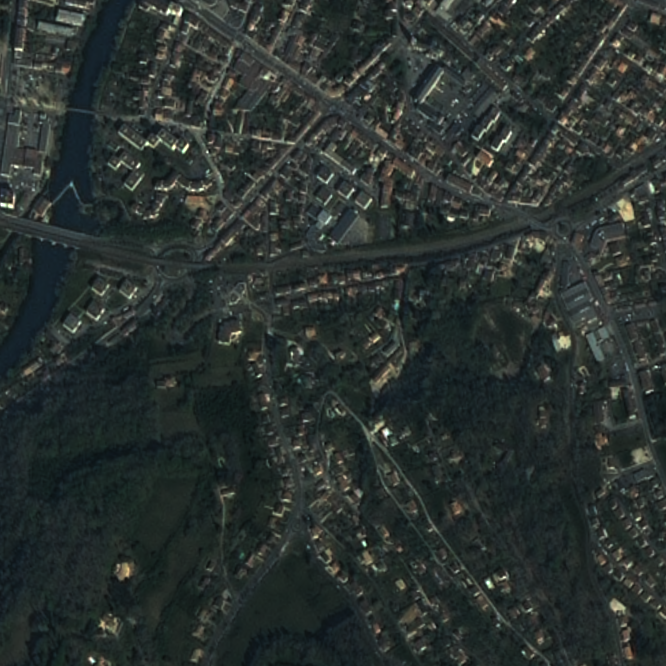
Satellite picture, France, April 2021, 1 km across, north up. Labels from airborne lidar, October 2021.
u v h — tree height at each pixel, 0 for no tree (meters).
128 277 6
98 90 15
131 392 20
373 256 0
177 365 0
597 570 8
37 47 6
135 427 20
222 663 0
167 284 0
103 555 22
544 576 26
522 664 7
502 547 26
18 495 28
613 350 0
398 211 13
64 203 0
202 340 11
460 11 10
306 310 6
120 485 23
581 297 0
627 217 0
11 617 25
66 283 8
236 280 0
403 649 9
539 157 0
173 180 0
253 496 0
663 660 23
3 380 9
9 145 0
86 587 25
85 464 13
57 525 29
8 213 6
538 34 0
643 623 24
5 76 0
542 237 0
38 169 0
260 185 0
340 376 6
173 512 0
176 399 0
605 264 0
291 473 0
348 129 0
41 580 23
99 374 15
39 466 8
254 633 0
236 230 0
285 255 0
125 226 13
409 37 0
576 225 0
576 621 23
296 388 10
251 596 6
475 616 7
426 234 14
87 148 11
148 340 8
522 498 21
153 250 0
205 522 26
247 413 6
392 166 0
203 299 9
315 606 0
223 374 0
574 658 21
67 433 27
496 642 9
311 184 0
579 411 9
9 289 17
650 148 0
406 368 10
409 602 6
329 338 0
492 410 17
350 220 0
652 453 0
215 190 0
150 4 0
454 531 16
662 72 0
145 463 23
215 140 0
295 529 0
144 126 12
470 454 18
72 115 0
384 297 6
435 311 18
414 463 8
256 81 0
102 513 17
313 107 0
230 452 19
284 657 17
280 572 0
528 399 25
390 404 14
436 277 13
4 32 12
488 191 0
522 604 19
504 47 7
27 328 0
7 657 0
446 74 0
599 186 0
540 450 23
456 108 0
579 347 0
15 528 12
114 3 0
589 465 11
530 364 14
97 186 14
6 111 0
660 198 8
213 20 0
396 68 11
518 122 10
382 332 8
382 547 0
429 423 17
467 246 0
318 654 18
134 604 7
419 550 8
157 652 9
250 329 12
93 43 0
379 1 6
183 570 0
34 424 26
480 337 0
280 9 6
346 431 9
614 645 18
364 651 12
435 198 0
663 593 6
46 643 16
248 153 9
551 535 26
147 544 0
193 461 20
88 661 0
